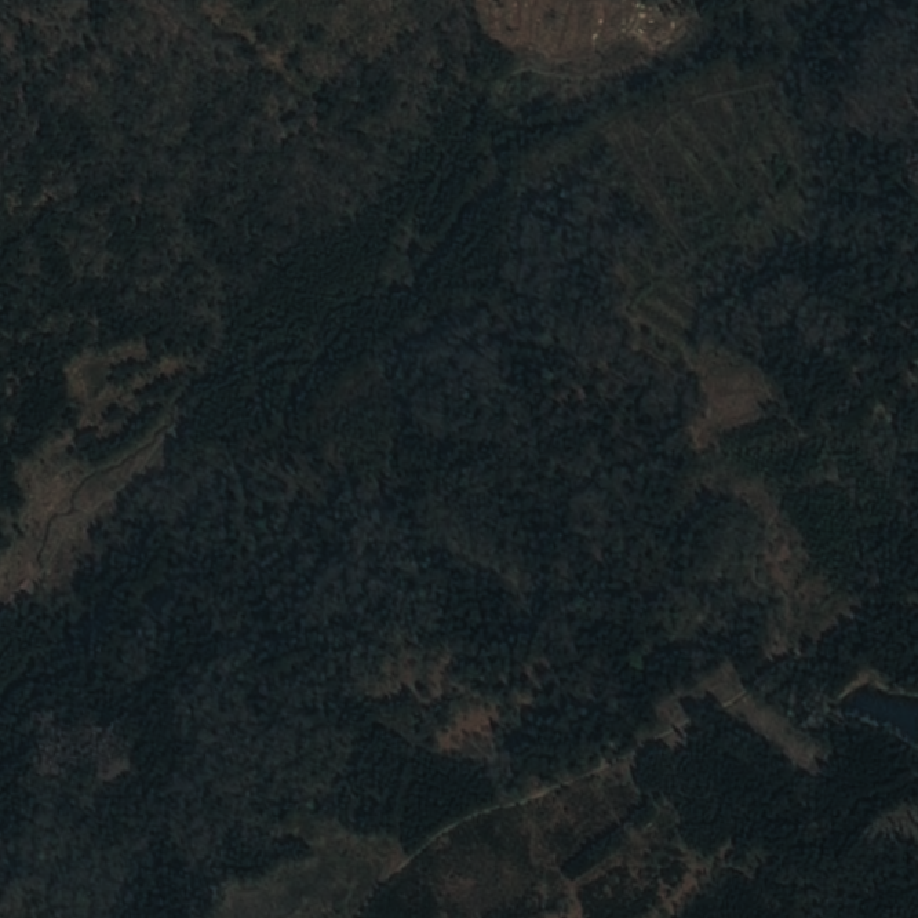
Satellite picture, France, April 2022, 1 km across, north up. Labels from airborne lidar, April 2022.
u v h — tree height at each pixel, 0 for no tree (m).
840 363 20
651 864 12
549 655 19
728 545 24
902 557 19
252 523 14
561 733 22
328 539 23
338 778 19
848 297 28
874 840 28
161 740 18
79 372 0
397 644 18
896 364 19
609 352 27
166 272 27
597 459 29
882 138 28
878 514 12
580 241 18
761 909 12
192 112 21
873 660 16
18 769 29
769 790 17
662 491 24
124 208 18
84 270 8
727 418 0
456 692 10
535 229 33
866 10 28
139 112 20
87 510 0
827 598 6
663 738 0
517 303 24
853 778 19
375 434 11
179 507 30
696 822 17
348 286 23
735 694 0
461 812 15
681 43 8
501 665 19
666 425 19
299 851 26
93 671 19
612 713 29
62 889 30
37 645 27
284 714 19
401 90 29
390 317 25
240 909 0
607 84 24
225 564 25
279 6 7
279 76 12
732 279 18
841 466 8
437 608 19
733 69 0
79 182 20
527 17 0
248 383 30
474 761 6
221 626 20
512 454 22
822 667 16
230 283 27
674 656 24
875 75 31
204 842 27
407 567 26
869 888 25
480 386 28
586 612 27
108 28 9
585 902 6
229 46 28
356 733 21
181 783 25
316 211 24
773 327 26
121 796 15
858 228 22
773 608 12
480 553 23
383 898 9
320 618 18
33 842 26
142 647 23
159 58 22
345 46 16
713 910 12
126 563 26
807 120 26
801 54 7
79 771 24
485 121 30
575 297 27
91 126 8
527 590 19
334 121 29
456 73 19
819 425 18
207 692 26
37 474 0
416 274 13
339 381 24
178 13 29
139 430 28
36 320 20
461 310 6
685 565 27
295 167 29
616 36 0
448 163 28
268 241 20
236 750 18
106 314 21
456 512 23
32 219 8
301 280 22
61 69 19
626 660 24
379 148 26
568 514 30
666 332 0
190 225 23
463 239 26
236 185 27
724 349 22
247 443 20
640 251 25
